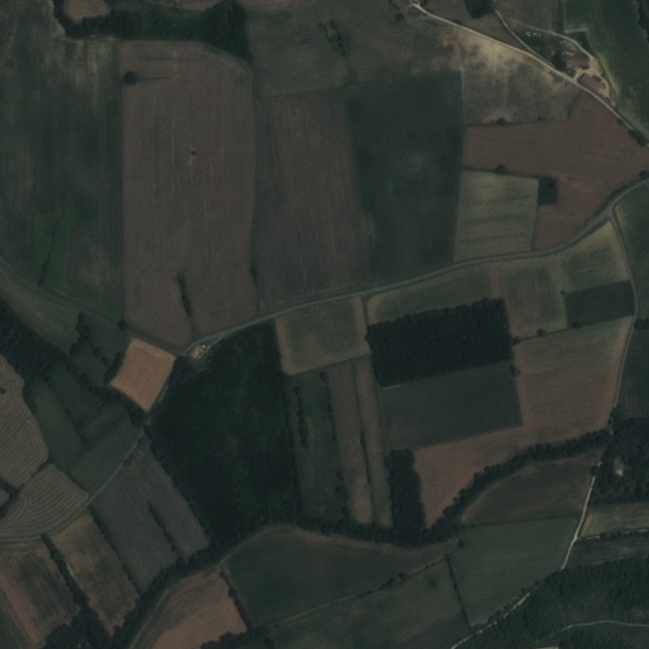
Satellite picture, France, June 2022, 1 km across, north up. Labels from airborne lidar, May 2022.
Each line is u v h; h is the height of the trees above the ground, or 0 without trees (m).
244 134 0
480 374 0
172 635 0
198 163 0
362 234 0
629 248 0
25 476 0
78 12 0
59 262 0
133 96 0
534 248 0
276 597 0
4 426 0
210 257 0
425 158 0
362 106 0
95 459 0
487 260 0
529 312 0
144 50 0
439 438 0
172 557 0
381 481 0
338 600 0
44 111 0
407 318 13
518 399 0
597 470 21
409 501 23
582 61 0
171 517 0
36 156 0
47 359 14
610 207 0
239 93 0
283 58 0
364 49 0
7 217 0
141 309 0
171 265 0
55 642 29
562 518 0
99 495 0
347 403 0
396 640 0
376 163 0
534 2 0
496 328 16
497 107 0
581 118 0
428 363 15
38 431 0
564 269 0
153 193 0
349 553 0
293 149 0
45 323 0
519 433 0
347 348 0
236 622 0
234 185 0
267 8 0
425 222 0
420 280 0
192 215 0
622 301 0
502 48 0
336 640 0
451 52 0
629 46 0
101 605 0
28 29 0
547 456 18
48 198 0
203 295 0
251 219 0
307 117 0
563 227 0
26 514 0
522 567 0
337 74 0
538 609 14
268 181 0
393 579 13
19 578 0
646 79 0
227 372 6
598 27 0
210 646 25
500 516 0
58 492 0
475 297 0
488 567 0
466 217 0
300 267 0
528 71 0
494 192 0
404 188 0
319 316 0
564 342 0
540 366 0
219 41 14
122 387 0
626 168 0
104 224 0
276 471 6
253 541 0
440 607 0
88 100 0
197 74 0
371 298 0
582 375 0
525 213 0
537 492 0
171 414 6
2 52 0
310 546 0
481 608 0
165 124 0
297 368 0
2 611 0
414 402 0
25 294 0
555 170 0
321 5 0
